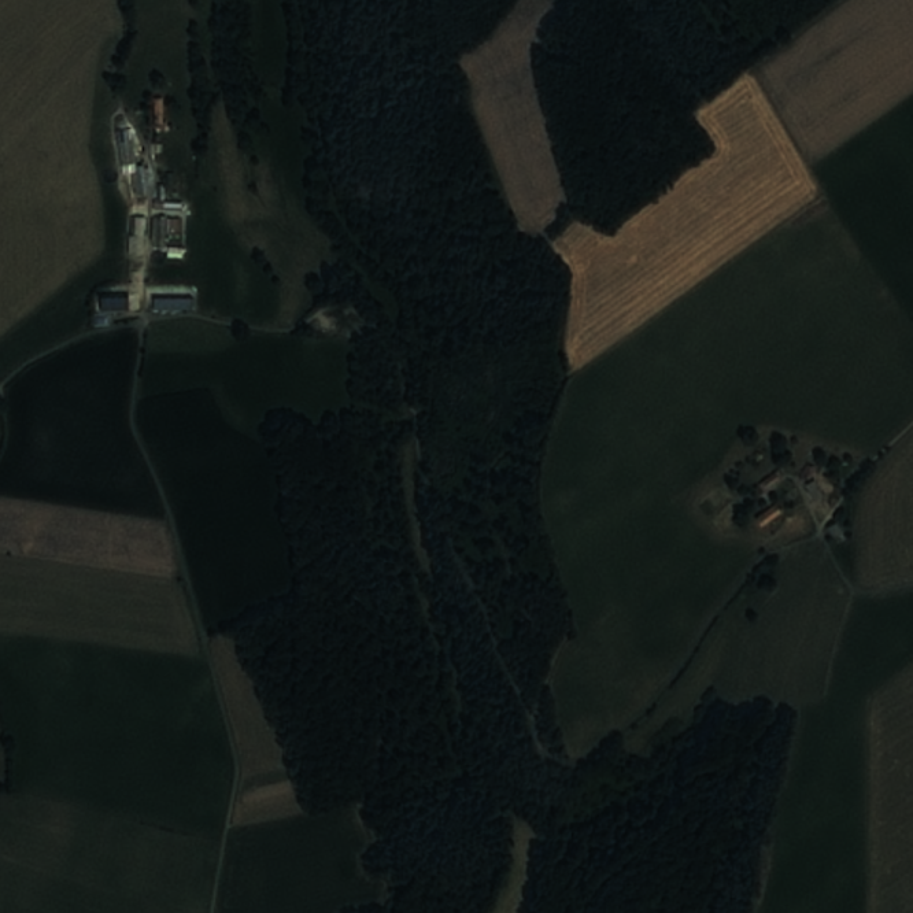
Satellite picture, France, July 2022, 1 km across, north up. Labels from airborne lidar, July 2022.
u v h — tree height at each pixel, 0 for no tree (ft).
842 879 0
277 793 0
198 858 0
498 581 53
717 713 79
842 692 0
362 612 92
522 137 0
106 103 0
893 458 0
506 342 57
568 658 0
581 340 0
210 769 0
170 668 0
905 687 0
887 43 0
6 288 0
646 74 81
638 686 0
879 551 0
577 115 81
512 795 67
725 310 0
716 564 0
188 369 0
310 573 87
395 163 44
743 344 0
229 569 0
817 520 0
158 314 0
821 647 0
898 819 0
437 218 40
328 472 75
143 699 0
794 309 0
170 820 0
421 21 33
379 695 94
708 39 63
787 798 0
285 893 0
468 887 55
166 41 0
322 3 31
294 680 70
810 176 0
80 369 0
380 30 67
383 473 56
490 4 57
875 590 0
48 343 0
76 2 0
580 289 0
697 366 0
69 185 0
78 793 0
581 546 0
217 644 0
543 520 34
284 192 0
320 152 57
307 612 87
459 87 48
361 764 85
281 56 0
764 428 0
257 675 59
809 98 0
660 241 0
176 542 0
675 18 78
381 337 38
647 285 0
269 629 78
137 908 0
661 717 0
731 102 0
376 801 67
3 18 0
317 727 89
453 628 95
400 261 32
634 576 0
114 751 0
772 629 0
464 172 45
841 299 0
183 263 0
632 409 0
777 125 0
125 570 0
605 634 0
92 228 0
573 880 79
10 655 0
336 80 68
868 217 0
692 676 0
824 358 0
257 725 0
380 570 79
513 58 0
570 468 0
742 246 0
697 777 76
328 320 0
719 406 0
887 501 0
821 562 0
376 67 57
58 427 0
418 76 75
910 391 0
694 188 0
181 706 0
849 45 0
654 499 0
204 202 0
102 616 0
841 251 0
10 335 0
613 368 0
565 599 28
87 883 0
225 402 0
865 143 0
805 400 0
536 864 79
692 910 75
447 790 78
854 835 0
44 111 0
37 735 0
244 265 0
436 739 73
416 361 64
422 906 59
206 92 73
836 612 0
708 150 54
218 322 0
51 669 0
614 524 0
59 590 0
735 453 0
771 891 0
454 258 44
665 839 83
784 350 0
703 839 73
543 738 37
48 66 0
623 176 69
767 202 0
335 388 0
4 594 0
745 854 75
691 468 0
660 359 0
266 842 0
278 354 0
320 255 0
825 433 0
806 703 0
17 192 0
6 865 0
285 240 0
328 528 111
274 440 84
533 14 0
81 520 0
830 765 0
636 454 0
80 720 0
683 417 0
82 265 0
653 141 63
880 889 0
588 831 62
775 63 0
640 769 76
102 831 0
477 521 51
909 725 0
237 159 0
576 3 60
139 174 0
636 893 76
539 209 0
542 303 70
